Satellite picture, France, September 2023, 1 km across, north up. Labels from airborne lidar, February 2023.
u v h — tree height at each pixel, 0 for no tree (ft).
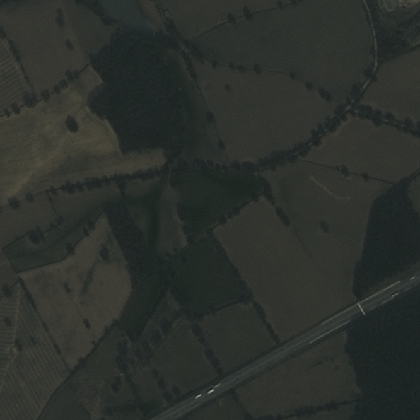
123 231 67
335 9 0
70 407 0
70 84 0
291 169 0
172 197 0
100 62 62
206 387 0
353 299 0
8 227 0
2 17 0
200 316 46
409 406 88
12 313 0
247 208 0
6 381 0
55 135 0
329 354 0
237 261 0
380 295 0
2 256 0
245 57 0
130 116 76
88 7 45
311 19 0
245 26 0
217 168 34
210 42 0
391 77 0
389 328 82
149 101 74
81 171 0
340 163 0
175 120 82
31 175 0
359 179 0
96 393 0
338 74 0
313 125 0
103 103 80
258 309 46
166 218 0
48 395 0
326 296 0
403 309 67
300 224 0
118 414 0
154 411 0
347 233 0
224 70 0
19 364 0
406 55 0
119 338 0
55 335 0
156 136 79
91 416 0
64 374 0
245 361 0
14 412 0
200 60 36
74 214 0
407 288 0
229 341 0
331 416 0
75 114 0
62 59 0
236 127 0
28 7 0
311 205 0
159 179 0
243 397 0
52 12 0
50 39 0
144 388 0
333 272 0
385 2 0
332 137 0
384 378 84
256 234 0
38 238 48
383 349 81
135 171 0
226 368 0
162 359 0
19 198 0
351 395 0
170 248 0
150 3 0
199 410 0
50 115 0
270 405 0
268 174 0
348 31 0
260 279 0
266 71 0
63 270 0
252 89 0
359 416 56
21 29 0
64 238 0
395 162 0
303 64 0
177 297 52
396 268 66
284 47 0
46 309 0
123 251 50
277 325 0
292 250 0
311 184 0
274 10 0
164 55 0
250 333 0
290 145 0
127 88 85
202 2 0
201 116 0
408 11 0
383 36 0
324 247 0
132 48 76
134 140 72
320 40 0
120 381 51
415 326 84
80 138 0
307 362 0
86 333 0
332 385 0
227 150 0
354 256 0
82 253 0
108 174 0
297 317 0
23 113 0
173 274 46
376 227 68
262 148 0
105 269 0
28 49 0
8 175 0
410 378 89
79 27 0
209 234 56
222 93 0
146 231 0
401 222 86
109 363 0
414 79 0
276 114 0
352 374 0
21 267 0
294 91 0
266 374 0
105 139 0
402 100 0
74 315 0
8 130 0
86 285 0
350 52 0
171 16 0
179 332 0
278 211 43
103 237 0
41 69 0
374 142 0
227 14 0
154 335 48
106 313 0
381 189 0
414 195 0
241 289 49
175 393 40
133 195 0
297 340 0
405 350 96
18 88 0
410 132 44
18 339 0
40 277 0
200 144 0
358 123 0
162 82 88
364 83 0
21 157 0
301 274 0
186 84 0
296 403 0
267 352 0
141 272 52
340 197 0
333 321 0
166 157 63
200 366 0
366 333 85
